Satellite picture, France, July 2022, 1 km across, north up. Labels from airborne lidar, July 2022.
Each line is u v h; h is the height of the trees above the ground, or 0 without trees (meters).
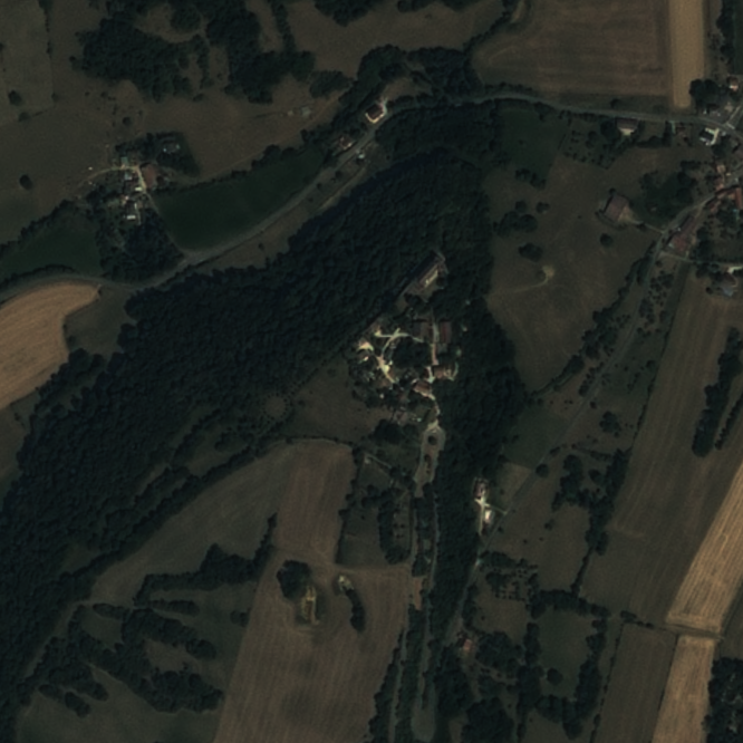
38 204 0
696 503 0
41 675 18
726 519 0
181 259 7
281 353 16
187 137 0
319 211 0
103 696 14
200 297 22
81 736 0
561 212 0
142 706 0
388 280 14
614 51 0
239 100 0
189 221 0
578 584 8
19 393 0
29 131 0
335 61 0
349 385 8
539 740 0
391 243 26
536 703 14
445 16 0
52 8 0
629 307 0
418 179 19
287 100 0
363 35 0
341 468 0
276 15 10
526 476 0
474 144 13
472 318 16
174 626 18
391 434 11
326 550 0
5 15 0
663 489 0
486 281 11
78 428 26
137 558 0
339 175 10
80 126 0
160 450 19
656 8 0
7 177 0
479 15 0
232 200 0
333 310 22
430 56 19
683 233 0
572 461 17
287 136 0
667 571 0
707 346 0
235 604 0
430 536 9
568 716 21
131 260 22
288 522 0
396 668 11
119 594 0
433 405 5
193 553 0
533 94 6
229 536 0
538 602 17
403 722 9
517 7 16
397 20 0
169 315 23
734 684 29
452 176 25
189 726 0
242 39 19
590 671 20
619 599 0
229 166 0
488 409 20
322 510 0
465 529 24
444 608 19
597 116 9
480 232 25
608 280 0
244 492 0
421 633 12
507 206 0
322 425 0
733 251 0
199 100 7
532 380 0
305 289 20
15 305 0
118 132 0
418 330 0
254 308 30
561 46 0
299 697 0
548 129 0
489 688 25
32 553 25
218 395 18
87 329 0
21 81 0
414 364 14
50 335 0
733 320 0
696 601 0
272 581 0
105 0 0
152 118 0
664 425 0
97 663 9
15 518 30
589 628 0
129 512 15
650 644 0
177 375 26
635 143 6
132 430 31
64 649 13
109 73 15
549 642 0
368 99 6
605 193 0
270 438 14
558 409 0
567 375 9
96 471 28
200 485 18
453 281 21
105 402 25
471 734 16
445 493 19
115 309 0
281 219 0
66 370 15
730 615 0
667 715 0
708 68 0
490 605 0
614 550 0
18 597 19
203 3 22
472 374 9
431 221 19
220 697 15
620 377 0
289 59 11
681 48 0
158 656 0
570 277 0
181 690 18
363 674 0
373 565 0
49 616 17
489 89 11
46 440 20
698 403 0
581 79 0
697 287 0
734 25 15
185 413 21
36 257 0
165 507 14
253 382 22
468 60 7
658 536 0
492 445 18
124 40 20
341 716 0
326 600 0
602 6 0
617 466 17
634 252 0
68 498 22
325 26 0
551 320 0
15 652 17
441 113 18
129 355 22
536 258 9
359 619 13
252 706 0
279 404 0
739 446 0
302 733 0
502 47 0
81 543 16
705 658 0
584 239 0
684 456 0
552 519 0
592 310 0
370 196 22
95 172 0
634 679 0
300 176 0
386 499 13
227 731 0
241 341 24
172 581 14
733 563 0
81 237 0
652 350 0
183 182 0
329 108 0
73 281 0
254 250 0
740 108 0
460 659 11
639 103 0
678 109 0
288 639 0
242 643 0
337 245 25
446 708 19
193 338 25
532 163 0
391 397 8
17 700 10
